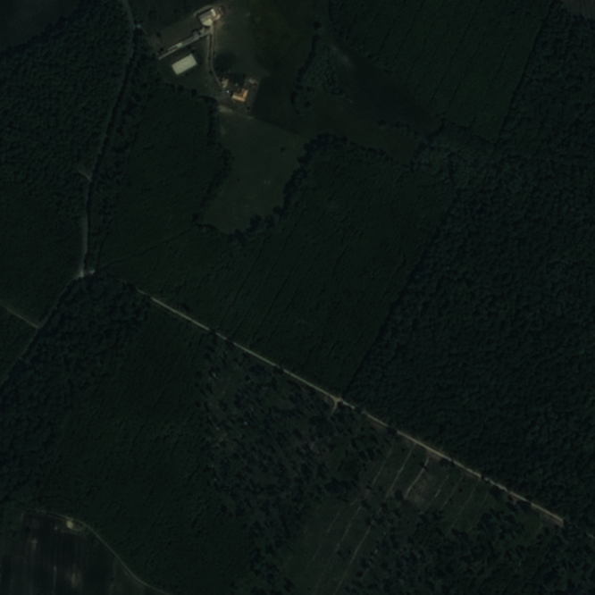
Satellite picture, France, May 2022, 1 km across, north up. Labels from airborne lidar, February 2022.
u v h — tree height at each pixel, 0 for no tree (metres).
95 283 32
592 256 24
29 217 8
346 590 0
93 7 22
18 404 32
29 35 0
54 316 14
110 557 0
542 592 30
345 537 0
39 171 23
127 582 0
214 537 11
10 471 30
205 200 16
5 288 7
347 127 0
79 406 29
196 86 0
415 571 25
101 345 31
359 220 8
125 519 10
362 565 0
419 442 0
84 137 20
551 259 23
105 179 28
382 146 0
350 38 14
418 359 26
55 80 27
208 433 8
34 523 0
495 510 0
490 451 27
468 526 0
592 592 0
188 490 8
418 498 0
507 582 9
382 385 28
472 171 25
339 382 7
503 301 29
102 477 9
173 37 0
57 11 0
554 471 31
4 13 0
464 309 27
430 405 26
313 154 24
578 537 31
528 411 27
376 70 0
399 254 9
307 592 0
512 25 18
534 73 21
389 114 0
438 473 0
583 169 24
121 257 8
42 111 26
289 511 23
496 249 29
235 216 0
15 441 31
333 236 6
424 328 26
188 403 8
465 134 18
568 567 29
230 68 0
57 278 9
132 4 6
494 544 26
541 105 23
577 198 20
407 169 5
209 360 28
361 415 23
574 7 0
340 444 0
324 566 0
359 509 0
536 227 28
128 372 10
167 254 6
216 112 14
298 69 0
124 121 24
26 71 26
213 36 0
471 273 28
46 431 30
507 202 26
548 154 25
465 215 26
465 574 7
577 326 29
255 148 0
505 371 26
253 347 7
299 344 9
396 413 23
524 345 30
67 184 24
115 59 22
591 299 28
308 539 0
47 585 0
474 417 25
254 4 0
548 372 29
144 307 18
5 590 0
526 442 23
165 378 9
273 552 26
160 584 8
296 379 0
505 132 23
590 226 27
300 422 25
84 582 0
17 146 25
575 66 21
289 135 0
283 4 0
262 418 0
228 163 19
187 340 7
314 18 0
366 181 8
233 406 0
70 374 33
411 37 12
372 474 0
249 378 0
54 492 6
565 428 32
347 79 0
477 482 0
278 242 6
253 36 0
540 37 20
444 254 30
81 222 12
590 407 29
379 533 25
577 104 26
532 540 0
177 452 6
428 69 10
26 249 9
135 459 10
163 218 9
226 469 26
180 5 0
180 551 10
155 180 8
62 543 0
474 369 25
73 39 26
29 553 0
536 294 30
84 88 23
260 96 0
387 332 27
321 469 26
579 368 28
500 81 12
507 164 22
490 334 27
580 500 25
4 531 0
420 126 0
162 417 9
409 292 29
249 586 0
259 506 0
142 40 21
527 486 28
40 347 24
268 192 0
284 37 0
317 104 0
